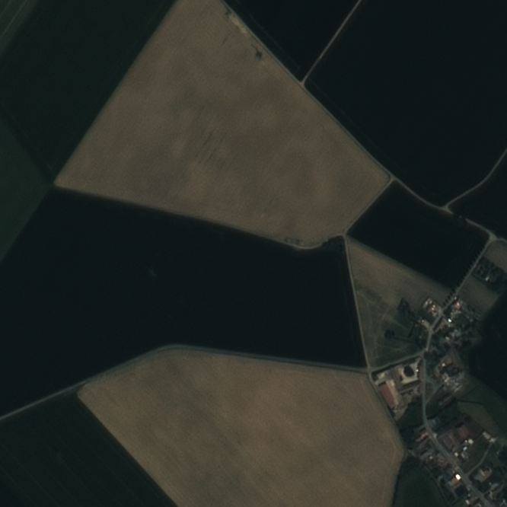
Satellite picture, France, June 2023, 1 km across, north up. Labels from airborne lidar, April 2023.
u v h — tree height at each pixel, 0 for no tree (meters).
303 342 0
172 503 0
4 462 0
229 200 0
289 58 0
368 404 0
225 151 0
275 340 0
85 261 0
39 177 0
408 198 0
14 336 0
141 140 0
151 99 0
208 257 0
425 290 0
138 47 0
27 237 0
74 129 0
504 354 0
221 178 0
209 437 0
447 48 0
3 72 0
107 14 0
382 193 0
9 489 0
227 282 0
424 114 0
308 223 0
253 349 0
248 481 0
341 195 0
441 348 15
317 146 0
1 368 0
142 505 0
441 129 0
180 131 0
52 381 0
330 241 10
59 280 0
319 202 0
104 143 0
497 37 0
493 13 0
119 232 0
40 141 0
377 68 0
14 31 0
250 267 0
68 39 0
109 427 0
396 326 0
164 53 0
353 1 0
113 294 0
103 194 0
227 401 0
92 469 0
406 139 0
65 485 0
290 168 0
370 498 0
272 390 0
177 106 0
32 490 0
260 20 0
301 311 0
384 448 0
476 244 0
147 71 0
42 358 0
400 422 0
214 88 0
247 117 0
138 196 0
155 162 0
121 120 0
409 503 0
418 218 0
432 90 0
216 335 0
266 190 0
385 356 0
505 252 0
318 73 0
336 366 0
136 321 0
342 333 0
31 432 0
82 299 0
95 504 0
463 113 0
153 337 0
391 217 0
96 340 0
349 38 0
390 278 0
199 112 0
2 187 0
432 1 0
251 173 0
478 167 0
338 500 0
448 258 0
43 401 0
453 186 0
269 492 0
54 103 0
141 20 0
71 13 0
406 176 0
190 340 0
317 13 0
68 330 0
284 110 0
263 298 0
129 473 0
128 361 0
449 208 0
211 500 0
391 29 0
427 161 0
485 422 0
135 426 0
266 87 0
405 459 0
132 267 0
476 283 0
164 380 0
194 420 0
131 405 0
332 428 0
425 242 0
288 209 0
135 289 0
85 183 0
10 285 0
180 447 0
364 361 0
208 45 0
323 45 0
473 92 0
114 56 0
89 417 0
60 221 0
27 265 0
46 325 0
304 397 0
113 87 0
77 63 0
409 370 9
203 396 0
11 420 0
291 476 0
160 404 0
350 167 0
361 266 0
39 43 0
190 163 0
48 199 0
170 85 0
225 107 0
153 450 0
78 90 0
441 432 0
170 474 0
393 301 0
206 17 0
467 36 0
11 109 0
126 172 0
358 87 0
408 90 0
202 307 0
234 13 0
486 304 0
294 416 0
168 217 0
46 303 0
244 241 0
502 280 16
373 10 0
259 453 0
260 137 0
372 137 0
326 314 0
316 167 0
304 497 0
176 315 0
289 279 0
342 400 0
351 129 0
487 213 0
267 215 0
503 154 0
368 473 0
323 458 0
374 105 0
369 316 0
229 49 0
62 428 0
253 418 0
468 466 0
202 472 0
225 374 0
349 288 0
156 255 0
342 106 0
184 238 0
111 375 0
